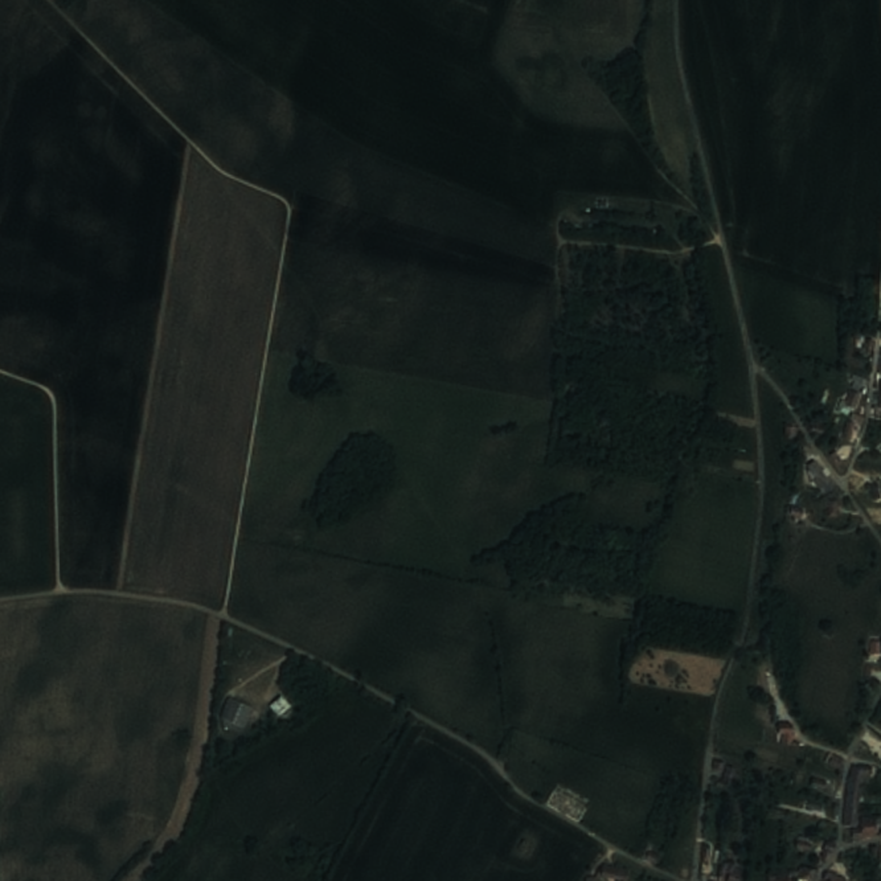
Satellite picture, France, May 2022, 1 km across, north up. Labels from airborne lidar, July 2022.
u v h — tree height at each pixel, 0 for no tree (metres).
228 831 0
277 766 0
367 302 0
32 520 0
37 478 0
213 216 0
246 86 0
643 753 0
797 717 15
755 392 0
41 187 0
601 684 0
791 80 0
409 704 13
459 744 0
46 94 0
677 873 0
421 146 0
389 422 0
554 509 12
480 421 0
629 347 12
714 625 17
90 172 0
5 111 0
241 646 0
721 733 0
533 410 0
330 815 0
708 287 14
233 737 0
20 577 0
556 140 0
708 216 20
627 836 0
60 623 0
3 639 0
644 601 11
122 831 0
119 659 0
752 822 20
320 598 0
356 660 0
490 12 0
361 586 0
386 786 0
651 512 12
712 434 10
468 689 0
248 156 0
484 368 0
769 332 0
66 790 0
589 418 16
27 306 0
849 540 0
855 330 13
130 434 0
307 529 0
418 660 0
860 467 0
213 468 0
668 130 0
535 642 0
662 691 0
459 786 0
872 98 0
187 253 0
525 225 0
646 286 8
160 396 0
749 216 0
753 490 0
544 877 0
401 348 0
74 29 0
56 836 0
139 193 0
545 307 0
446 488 0
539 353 0
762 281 0
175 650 0
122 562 0
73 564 0
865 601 0
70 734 0
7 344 0
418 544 0
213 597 0
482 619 0
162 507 0
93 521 0
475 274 0
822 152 0
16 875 0
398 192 0
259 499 0
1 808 0
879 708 6
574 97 0
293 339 0
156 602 0
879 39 0
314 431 0
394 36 0
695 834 0
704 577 0
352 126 0
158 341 0
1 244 0
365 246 0
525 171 0
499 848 0
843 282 0
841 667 0
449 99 0
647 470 7
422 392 0
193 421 0
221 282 0
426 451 0
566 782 0
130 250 0
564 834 0
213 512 0
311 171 0
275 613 0
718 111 0
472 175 0
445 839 0
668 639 13
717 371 15
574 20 0
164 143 0
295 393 16
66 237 0
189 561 0
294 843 7
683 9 0
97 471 0
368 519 0
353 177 0
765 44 0
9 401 0
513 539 9
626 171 0
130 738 0
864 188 0
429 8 0
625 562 19
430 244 0
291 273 0
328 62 0
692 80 0
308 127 0
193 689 0
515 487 0
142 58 0
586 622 0
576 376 15
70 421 0
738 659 14
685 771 0
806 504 0
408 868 0
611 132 0
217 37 0
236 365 0
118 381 0
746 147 0
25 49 0
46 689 0
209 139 0
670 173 9
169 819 0
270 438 0
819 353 0
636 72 13
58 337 0
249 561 0
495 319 0
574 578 13
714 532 0
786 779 7
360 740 0
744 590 0
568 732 0
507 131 0
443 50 0
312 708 16
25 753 0
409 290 0
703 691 0
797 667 15
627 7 0
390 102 0
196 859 0
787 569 0
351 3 0
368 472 20
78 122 0
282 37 0
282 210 0
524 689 0
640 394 13
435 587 0
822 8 0
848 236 0
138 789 0
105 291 0
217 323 0
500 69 0
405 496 0
